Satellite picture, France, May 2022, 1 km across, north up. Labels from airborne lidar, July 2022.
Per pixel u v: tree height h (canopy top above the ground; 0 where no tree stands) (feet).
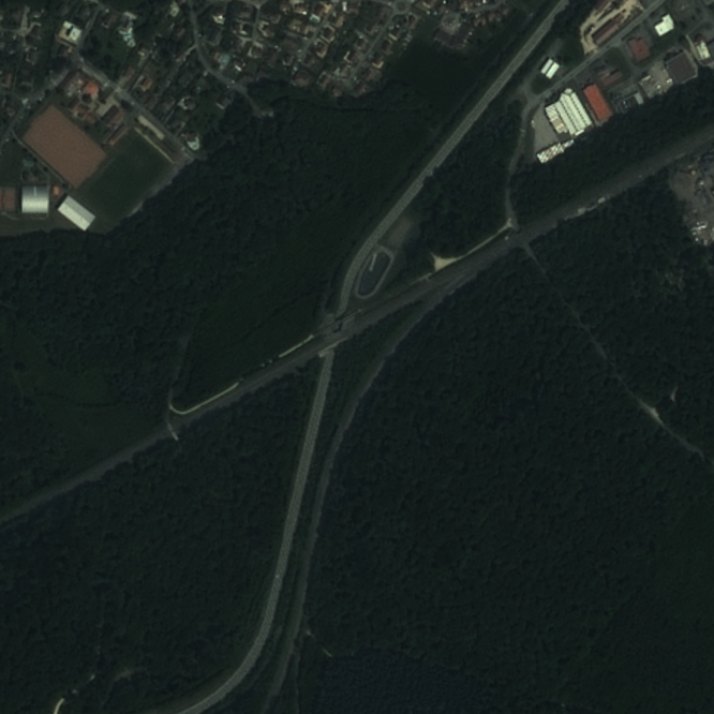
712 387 74
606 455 83
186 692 25
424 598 80
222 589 69
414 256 91
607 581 75
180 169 0
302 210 58
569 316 71
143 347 65
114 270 74
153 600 76
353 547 82
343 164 41
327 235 21
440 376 93
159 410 42
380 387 79
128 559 82
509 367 75
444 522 79
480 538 69
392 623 81
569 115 0
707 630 22
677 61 0
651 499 77
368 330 27
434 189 82
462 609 81
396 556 85
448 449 79
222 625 63
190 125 20
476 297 89
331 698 88
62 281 84
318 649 42
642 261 71
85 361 68
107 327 64
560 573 61
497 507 77
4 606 89
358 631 64
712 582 21
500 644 78
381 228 0
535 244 49
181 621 81
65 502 69
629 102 0
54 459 67
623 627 51
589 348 74
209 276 60
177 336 70
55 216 0
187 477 83
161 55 24
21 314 73
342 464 75
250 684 28
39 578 93
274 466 88
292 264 19
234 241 78
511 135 62
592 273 78
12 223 0
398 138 50
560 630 83
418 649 68
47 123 0
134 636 80
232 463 88
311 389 20
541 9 22
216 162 65
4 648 91
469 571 81
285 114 80
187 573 85
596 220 73
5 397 71
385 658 91
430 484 81
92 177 0
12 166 0
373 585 78
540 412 88
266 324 23
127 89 0
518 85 21
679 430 60
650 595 36
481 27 32
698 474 81
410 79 0
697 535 22
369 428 83
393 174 27
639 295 71
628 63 0
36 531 43
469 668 77
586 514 80
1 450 74
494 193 73
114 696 66
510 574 91
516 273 69
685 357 84
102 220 0
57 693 79
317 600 71
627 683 32
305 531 23
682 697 33
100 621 75
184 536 76
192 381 21
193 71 44
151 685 71
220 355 23
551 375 73
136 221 52
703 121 40
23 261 72
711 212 0
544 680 77
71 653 81
